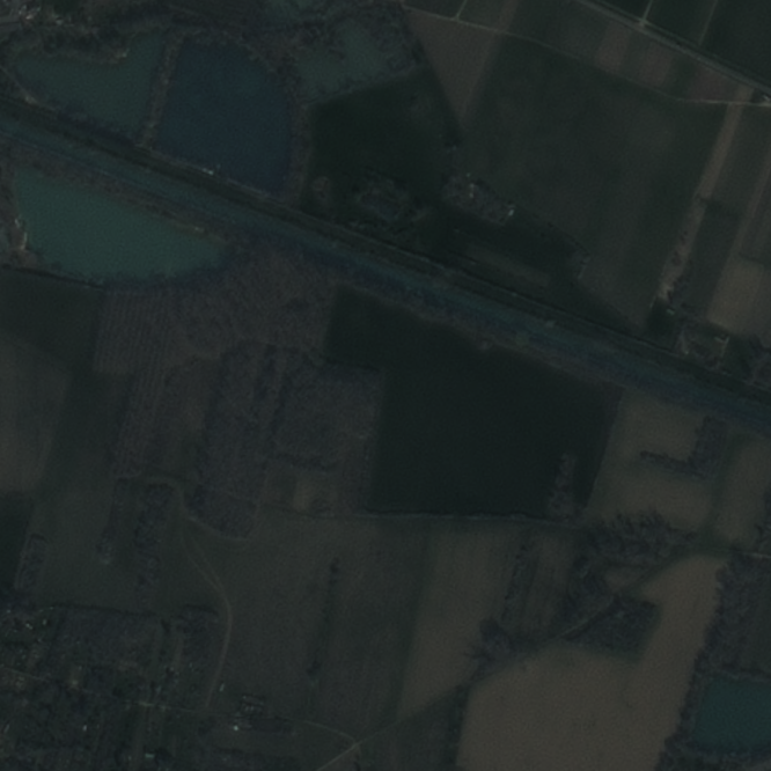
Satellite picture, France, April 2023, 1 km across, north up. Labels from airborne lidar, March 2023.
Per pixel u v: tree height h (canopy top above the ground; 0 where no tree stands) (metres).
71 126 10
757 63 0
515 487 0
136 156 0
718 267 0
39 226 0
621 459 0
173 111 0
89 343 0
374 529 0
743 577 28
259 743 0
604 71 0
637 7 0
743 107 0
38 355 0
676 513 0
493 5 0
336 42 12
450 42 0
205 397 0
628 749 0
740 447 0
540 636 0
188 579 0
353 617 0
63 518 0
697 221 0
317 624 0
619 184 0
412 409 0
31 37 12
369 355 0
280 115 0
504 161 0
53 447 0
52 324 0
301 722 0
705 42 0
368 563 0
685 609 0
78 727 6
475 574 0
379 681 0
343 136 0
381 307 0
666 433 0
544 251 0
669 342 0
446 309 14
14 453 0
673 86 0
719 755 11
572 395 0
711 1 0
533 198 0
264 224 0
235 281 31
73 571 0
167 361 28
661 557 6
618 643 8
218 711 0
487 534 0
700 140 0
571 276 0
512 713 0
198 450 0
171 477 0
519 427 0
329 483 0
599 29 0
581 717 0
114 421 0
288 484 0
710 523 0
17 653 7
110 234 0
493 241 0
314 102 0
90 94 0
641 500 0
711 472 8
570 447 0
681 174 0
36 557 6
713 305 0
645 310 0
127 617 6
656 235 0
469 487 0
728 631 27
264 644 0
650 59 0
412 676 0
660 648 0
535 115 0
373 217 0
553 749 0
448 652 0
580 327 0
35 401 0
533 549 0
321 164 0
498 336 15
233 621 0
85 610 6
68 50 15
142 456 19
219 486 30
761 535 14
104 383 0
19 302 0
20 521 0
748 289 0
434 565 0
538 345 10
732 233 0
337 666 0
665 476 0
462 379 0
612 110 0
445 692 0
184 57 0
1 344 0
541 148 0
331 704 0
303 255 15
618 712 0
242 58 0
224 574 0
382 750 0
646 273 0
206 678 0
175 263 0
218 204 0
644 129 0
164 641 0
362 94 0
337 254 0
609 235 0
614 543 25
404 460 0
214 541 0
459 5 0
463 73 0
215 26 17
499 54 0
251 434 23
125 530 0
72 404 0
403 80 0
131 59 0
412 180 0
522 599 0
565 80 0
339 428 29
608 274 0
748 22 0
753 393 0
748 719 0
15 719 0
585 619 17
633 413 0
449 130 0
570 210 0
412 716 0
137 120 0
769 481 0
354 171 0
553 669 0
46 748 8
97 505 0
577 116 0
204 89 0
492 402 0
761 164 0
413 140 0
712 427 15
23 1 0
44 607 0
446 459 0
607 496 0
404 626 0
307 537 0
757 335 0
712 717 0
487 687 0
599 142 0
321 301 26
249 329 36
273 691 0
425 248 0
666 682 0
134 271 0
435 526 0
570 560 0
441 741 0
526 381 0
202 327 35
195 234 0
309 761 0
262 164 0
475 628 0
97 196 0
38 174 12
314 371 25
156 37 0
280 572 0
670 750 14
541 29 0
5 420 0
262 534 0
